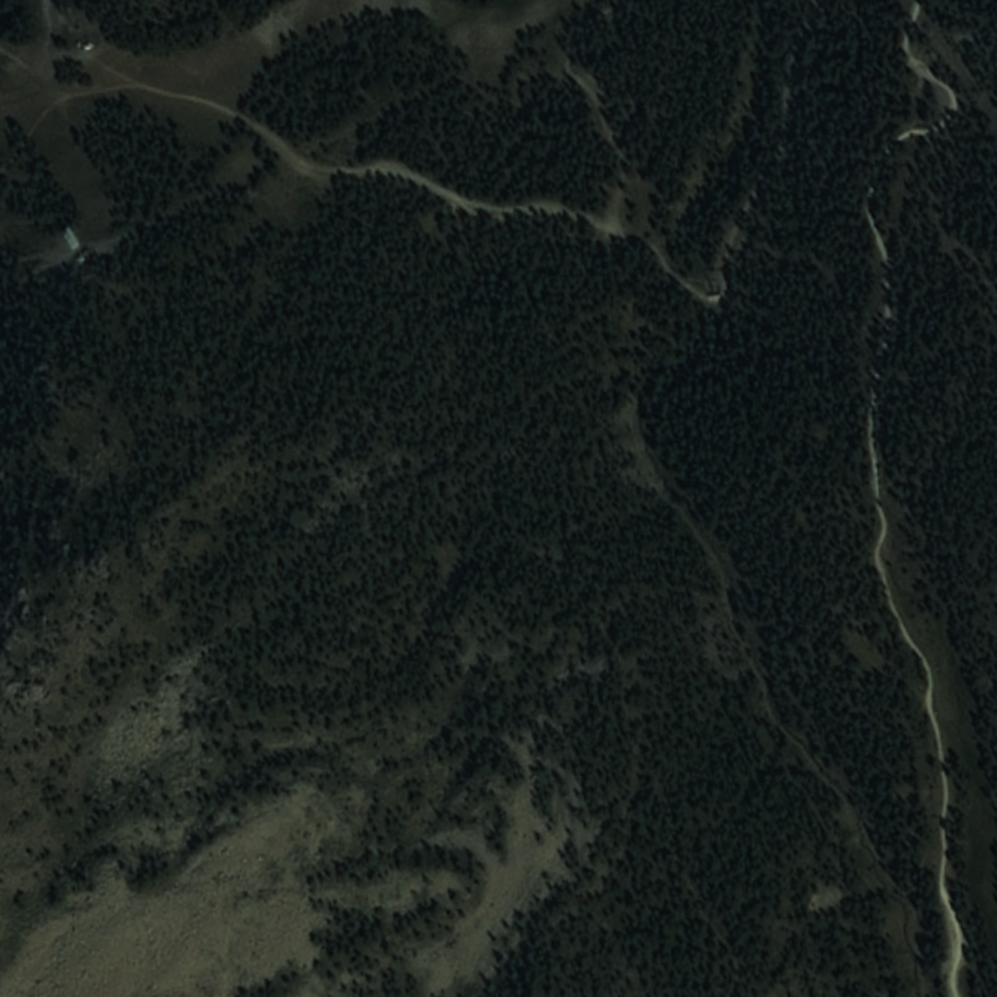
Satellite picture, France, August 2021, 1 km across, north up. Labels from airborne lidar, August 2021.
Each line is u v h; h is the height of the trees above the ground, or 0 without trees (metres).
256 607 8
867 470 10
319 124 19
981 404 19
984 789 0
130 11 17
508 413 9
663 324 13
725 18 14
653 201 0
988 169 19
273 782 14
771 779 10
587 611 11
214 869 0
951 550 17
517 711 13
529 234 20
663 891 13
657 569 15
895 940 0
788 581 19
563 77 0
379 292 13
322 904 9
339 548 12
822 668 13
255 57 0
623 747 15
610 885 17
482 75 0
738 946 17
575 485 14
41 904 0
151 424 12
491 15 0
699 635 6
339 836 0
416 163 17
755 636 0
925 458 17
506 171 17
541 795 12
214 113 0
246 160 0
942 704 0
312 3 0
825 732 14
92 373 8
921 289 17
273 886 0
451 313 12
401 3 0
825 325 16
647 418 15
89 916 0
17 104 0
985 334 13
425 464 9
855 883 15
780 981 10
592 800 14
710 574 8
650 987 14
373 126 10
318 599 15
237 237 0
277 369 15
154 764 0
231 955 0
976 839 0
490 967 0
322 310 9
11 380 11
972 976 0
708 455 20
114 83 0
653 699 16
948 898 0
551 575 13
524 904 0
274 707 12
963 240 17
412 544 14
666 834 6
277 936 0
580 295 17
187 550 0
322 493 12
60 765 10
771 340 25
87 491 0
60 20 0
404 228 16
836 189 16
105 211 0
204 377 13
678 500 6
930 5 15
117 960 0
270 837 0
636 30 15
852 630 10
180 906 0
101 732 0
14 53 0
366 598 15
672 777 15
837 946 22
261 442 14
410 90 17
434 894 0
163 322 16
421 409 14
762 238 15
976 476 15
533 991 12
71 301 7
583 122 18
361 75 22
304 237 10
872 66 8
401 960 7
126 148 16
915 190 11
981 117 14
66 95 0
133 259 9
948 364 9
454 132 17
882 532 0
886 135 9
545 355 18
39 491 10
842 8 15
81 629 10
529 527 15
